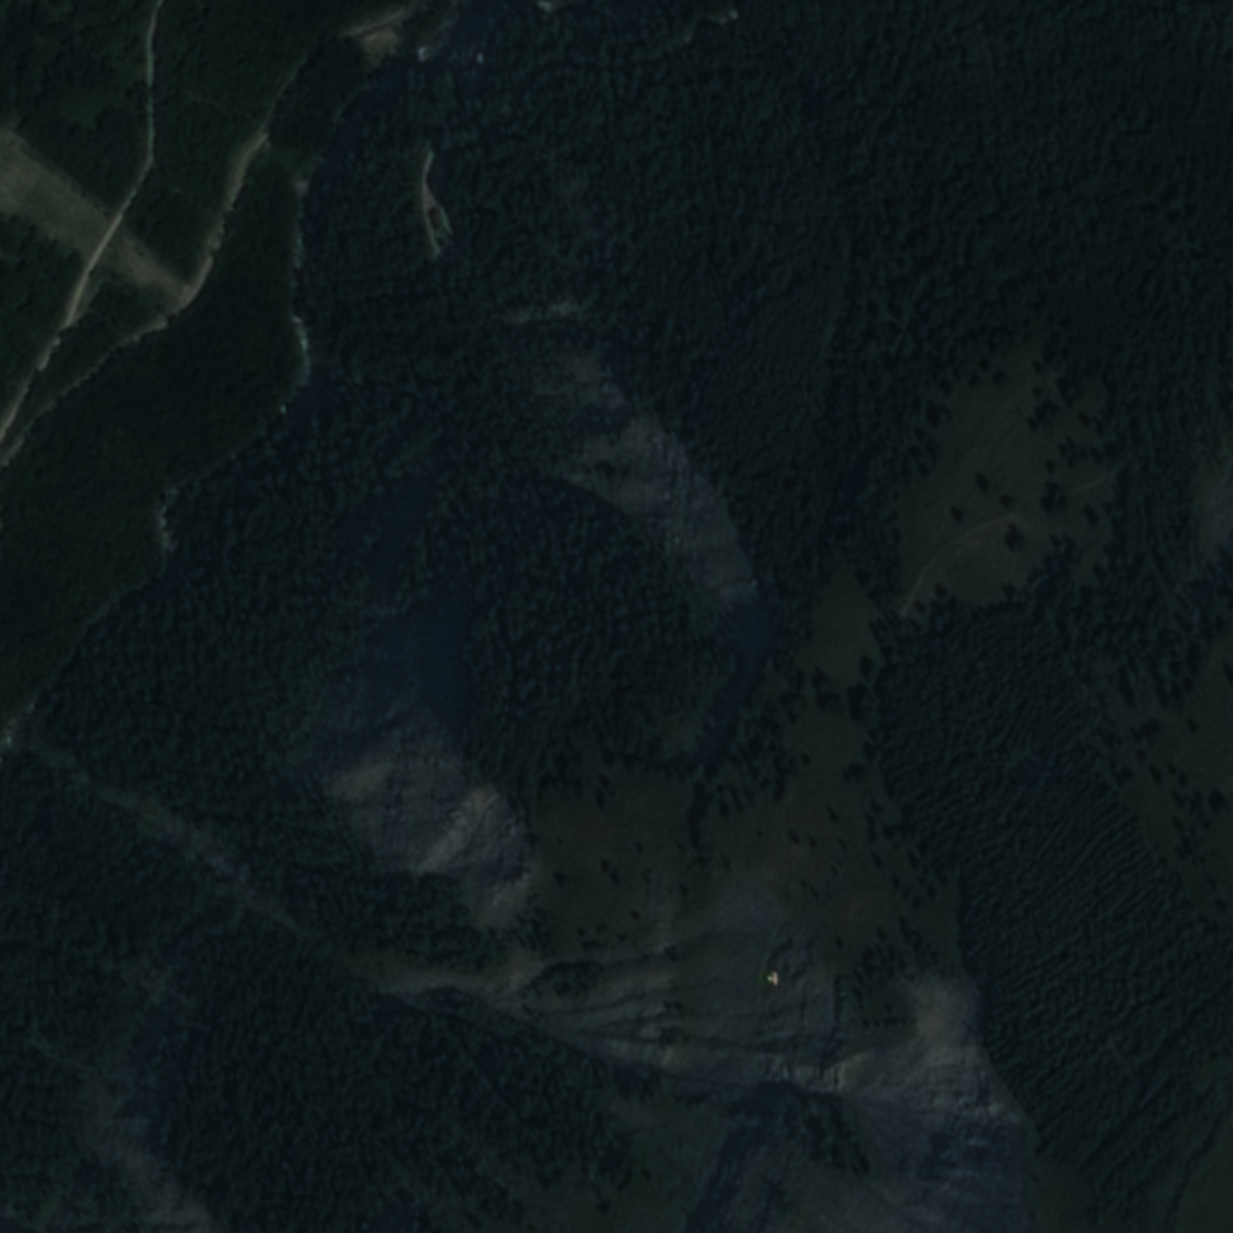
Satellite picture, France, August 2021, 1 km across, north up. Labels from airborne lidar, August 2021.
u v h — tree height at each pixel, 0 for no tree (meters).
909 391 19
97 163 12
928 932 0
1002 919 17
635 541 20
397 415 12
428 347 18
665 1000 0
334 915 26
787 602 13
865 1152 7
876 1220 0
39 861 11
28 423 11
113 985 10
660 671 18
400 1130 17
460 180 17
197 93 14
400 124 15
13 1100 25
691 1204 0
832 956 0
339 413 11
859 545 14
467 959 17
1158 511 18
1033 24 22
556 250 16
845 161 16
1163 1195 0
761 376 21
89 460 21
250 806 18
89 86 9
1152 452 17
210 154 17
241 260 18
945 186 13
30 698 15
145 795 21
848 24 25
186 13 14
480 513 15
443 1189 15
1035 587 8
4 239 11
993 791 17
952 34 17
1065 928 15
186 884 15
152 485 13
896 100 21
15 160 0
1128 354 20
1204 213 18
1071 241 18
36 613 22
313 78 20
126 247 0
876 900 0
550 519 13
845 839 0
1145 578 18
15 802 21
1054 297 15
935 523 0
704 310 22
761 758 11
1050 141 26
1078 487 0
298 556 13
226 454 14
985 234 13
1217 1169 0
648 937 0
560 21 7
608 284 17
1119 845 18
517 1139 14
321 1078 17
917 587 0
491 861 0
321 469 6
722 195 20
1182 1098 8
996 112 23
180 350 17
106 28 8
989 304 11
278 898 10
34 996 19
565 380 6
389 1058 21
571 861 0
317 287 12
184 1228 0
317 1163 18
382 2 19
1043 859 13
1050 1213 0
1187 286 19
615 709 12
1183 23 17
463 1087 15
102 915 18
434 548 17
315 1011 16
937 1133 0
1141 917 15
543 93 8
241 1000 23
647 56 21
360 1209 15
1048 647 15
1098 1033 12
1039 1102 7
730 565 0
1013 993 12
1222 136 22
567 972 14
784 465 19
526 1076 19
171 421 19
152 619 18
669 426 8
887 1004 0
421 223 17
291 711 9
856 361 20
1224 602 14
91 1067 6
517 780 16
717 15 10
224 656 20
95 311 8
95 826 17
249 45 18
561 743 16
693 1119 0
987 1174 0
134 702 23
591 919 0
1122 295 18
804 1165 0
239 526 18
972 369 10
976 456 0
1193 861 11
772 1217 0
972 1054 0
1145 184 18
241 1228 13
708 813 12
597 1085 10
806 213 23
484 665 24
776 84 20
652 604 19
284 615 19
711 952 0
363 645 8
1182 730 0
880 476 23
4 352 11
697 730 0
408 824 0
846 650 0
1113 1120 9
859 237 17
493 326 11
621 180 16
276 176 10
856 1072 0
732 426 20
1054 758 15
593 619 15
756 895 0
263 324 15
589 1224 0
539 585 13
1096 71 23
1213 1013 11
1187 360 25
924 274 15
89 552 14
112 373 15
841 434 25
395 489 10
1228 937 10
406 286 12
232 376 21
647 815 0
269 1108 17
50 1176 16
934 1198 0
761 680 14
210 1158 21
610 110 22
